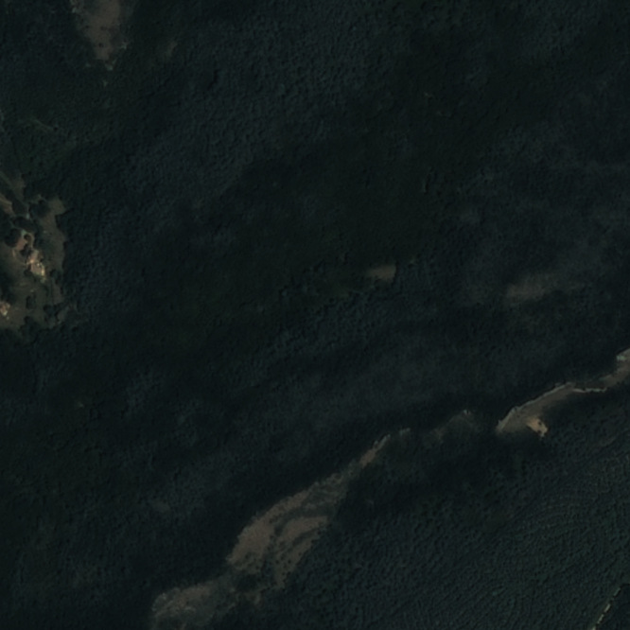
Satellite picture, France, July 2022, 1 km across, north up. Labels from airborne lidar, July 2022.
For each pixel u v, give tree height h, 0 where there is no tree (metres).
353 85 14
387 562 11
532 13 26
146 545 7
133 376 16
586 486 12
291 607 10
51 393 22
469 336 17
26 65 7
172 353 29
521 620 14
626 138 6
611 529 15
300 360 14
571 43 17
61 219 16
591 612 11
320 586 8
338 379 7
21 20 8
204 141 18
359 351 11
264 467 11
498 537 11
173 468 10
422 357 6
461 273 9
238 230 18
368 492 13
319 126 15
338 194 30
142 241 18
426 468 10
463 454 8
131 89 15
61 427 20
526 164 6
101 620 19
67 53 13
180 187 17
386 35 9
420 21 17
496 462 10
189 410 22
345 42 14
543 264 7
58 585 10
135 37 20
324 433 6
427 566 16
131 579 11
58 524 12
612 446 8
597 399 7
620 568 15
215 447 12
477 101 17
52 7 13
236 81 20
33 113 10
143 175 18
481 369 7
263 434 7
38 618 14
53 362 17
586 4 23
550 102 7
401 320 16
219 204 12
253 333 27
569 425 7
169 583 12
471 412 9
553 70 19
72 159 12
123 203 12
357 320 16
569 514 10
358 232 30
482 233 7
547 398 0
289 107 12
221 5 16
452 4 9
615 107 7
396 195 25
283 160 15
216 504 7
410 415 9
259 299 26
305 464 10
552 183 8
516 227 6
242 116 15
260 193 16
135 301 26
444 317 18
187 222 14
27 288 0
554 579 12
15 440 25
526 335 8
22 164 10
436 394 6
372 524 11
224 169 10
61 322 8
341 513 12
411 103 26
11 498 24
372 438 10
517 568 14
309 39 14
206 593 0
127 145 14
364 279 11
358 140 20
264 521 0
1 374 25
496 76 21
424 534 13
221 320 28
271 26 14
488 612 12
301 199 23
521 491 10
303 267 26
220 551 14
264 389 14
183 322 26
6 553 19
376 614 11
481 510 7
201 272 22
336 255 31
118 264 22
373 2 8
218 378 21
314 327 22
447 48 8
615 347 9
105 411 26
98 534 12
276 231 18
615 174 6
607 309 13
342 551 14
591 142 6
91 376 21
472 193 10
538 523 11
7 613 16
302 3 9
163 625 10
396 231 23
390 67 19
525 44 24
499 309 6
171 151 18
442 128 23
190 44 7
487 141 18
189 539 7
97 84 14
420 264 13
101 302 14
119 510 10
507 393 8
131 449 20
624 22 15
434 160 26
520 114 17
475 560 13
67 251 15
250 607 7
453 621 13
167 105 18
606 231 10
